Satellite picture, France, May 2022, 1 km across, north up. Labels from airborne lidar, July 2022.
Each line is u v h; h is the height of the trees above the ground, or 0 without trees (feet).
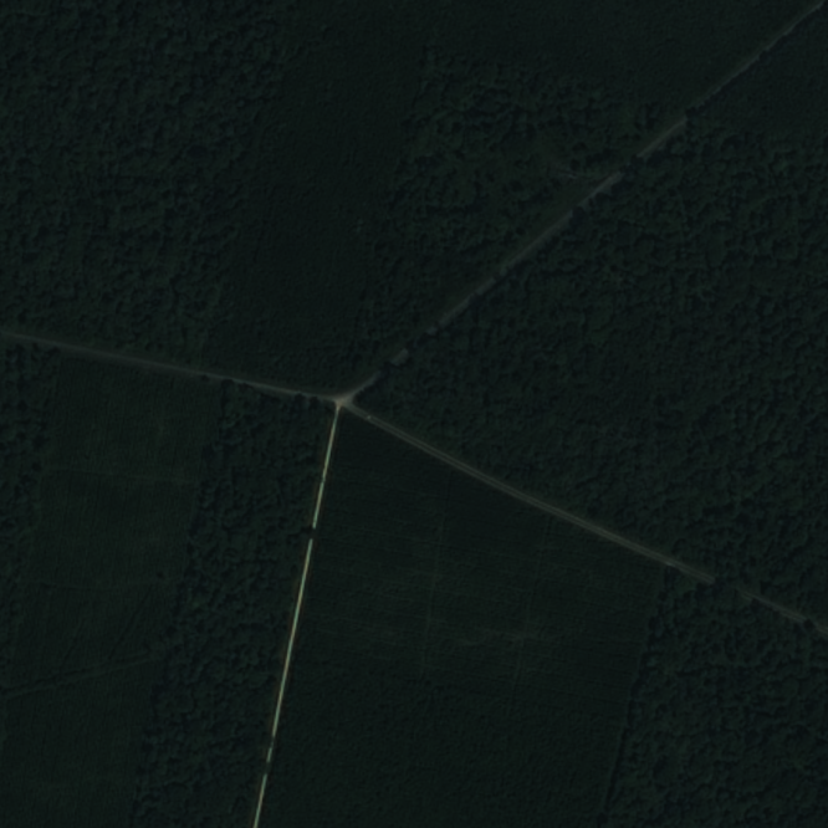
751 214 43
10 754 23
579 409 51
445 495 29
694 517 70
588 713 22
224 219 67
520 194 88
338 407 0
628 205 69
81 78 74
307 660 25
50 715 17
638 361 38
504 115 60
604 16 46
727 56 59
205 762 76
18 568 54
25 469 35
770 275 79
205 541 66
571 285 68
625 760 42
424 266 77
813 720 66
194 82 66
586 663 22
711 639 45
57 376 26
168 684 83
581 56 56
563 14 50
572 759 37
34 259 83
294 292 44
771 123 62
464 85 77
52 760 18
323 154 42
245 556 69
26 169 91
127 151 61
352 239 44
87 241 43
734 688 53
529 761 37
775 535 60
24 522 74
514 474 81
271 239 48
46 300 70
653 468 74
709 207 84
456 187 74
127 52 45
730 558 76
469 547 19
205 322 52
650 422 77
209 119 71
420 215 75
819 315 56
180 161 51
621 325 90
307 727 36
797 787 70
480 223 85
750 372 67
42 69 73
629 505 86
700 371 93
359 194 48
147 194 81
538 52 64
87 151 65
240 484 89
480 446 72
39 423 23
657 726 69
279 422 66
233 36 34
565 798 33
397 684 35
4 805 20
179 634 60
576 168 58
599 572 18
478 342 83
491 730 37
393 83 49
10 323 84
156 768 72
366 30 44
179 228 50
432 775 34
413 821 32
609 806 28
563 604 21
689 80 65
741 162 66
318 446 47
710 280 61
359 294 46
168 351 53
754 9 55
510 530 20
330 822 37
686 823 79
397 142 47
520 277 76
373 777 39
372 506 21
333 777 36
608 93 52
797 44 54
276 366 42
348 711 33
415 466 20
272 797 35
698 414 36
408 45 44
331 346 36
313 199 44
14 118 45
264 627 62
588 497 60
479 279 35
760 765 56
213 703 58
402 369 33
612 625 24
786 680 79
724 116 55
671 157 70
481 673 21
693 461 71
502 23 60
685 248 31
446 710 41
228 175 65
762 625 74
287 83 45
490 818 32
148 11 76
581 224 84
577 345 87
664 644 95
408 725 39
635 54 57
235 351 46
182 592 46
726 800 68
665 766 86
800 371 91
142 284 57
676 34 57
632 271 58
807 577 90
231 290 54
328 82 41
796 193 62
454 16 56
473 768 33
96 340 34
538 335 68
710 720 55
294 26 43
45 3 66
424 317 40
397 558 20
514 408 45
